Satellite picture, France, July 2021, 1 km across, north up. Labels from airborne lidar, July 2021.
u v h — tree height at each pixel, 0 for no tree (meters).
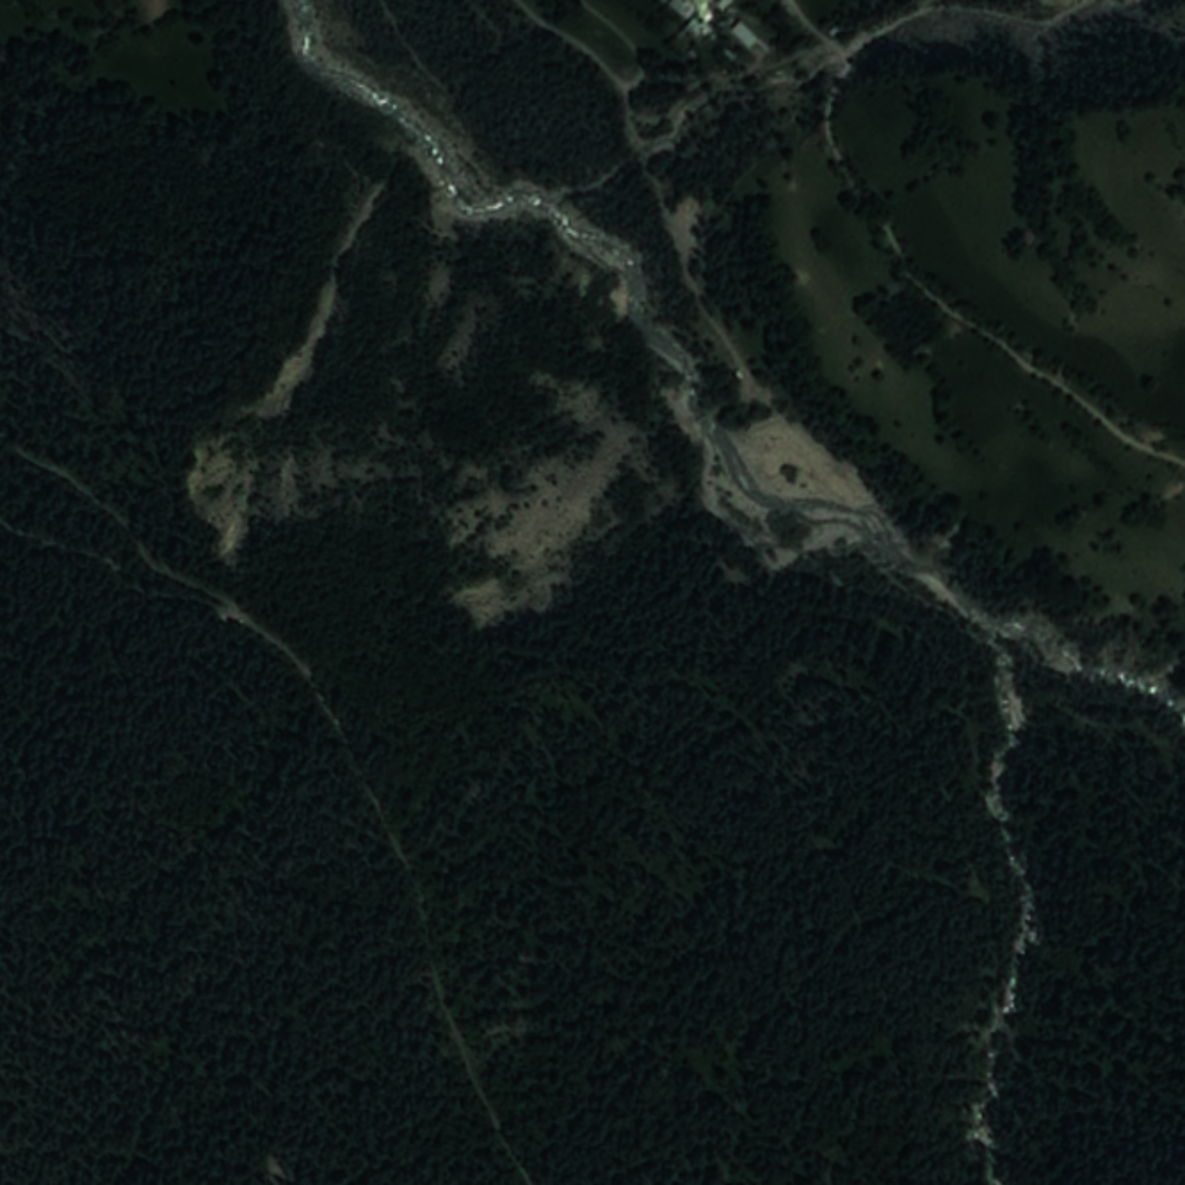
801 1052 29
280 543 9
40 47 25
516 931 8
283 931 25
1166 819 14
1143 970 22
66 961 6
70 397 28
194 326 10
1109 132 0
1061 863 19
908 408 0
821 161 0
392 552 7
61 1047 18
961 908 23
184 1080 25
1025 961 16
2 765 29
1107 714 17
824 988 27
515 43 8
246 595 9
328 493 8
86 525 25
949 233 0
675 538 22
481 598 0
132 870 21
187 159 14
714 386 13
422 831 11
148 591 31
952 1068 26
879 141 0
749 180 0
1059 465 0
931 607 10
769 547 0
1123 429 6
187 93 0
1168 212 0
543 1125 21
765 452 0
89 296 25
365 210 0
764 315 19
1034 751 27
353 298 8
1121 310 0
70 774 31
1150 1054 22
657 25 12
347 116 5
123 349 22
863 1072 10
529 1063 7
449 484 8
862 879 25
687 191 13
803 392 21
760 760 29
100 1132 21
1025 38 0
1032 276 0
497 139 10
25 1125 11
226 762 25
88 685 28
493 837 12
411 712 14
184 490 7
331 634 11
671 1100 11
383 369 11
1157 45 11
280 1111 23
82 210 14
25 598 28
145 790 25
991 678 14
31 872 30
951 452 0
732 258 9
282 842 21
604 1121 28
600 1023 25
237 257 27
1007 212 0
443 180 0
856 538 0
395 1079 11
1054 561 21
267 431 8
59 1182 12
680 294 17
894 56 21
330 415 12
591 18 0
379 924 24
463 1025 11
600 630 16
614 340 13
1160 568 0
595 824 21
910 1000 26
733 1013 25
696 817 28
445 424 21
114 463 11
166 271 9
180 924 14
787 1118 22
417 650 9
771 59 0
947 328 8
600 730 22
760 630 26
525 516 0
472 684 11
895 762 20
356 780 12
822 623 25
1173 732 16
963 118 0
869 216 16
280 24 14
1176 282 0
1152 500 12
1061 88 17
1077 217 9
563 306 8
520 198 0
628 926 9
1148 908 21
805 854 19
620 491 9
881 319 13
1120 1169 31
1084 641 11
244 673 26
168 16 11
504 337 9
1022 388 0
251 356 10
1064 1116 7
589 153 9
